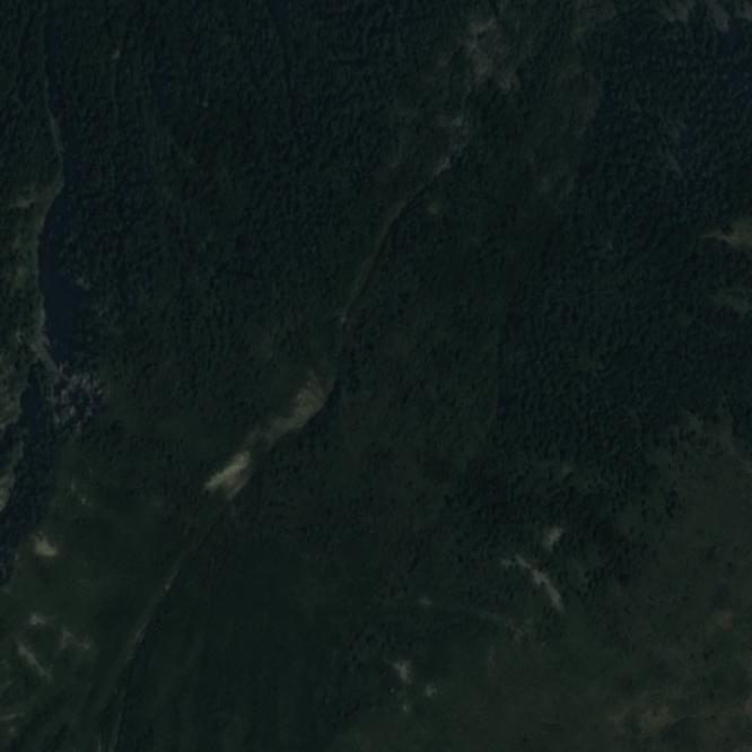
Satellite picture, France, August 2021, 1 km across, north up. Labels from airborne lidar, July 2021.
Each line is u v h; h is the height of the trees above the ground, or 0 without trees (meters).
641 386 16
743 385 15
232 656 0
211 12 17
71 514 0
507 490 10
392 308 6
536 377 17
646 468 9
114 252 25
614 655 0
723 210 21
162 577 0
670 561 0
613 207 8
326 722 0
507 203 6
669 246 23
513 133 13
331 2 22
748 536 0
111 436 10
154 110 7
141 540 0
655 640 0
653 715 0
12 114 25
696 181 6
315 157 21
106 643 0
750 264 12
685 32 22
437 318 9
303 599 0
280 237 10
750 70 20
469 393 7
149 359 9
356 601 0
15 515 8
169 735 0
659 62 11
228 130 17
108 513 0
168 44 19
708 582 0
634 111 13
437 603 0
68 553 0
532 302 7
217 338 5
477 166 9
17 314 7
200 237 12
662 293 9
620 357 16
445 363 6
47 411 8
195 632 0
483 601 8
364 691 0
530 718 0
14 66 21
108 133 26
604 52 10
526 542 12
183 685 0
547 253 8
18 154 23
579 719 0
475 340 6
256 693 0
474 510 8
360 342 8
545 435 14
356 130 12
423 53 11
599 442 14
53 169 13
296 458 0
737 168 9
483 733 0
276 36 20
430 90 7
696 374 11
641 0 15
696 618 0
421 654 0
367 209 7
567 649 0
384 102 11
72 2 19
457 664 0
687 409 17
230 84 11
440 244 7
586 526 7
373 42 25
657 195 14
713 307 9
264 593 0
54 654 0
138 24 8
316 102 14
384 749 0
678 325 11
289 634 0
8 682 0
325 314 7
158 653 0
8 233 15
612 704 0
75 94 19
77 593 0
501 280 6
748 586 0
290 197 19
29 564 0
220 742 0
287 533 6
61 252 11
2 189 16
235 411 8
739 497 0
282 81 18
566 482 7
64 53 24
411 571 7
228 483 0
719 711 0
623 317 9
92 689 0
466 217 9
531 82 11
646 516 12
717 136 13
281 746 0
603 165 9
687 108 16
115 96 9
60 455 0
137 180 12
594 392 13
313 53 15
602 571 7
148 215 15
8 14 23
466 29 9
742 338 14
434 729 0
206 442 0
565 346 10
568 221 14
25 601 0
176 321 8
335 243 6
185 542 0
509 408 17
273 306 7
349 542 0
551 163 11
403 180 6
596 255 15
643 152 15
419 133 9
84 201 21
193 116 7
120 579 0
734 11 14
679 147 15
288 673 0
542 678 0
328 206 7
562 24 8
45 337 0
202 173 6
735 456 0
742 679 0
